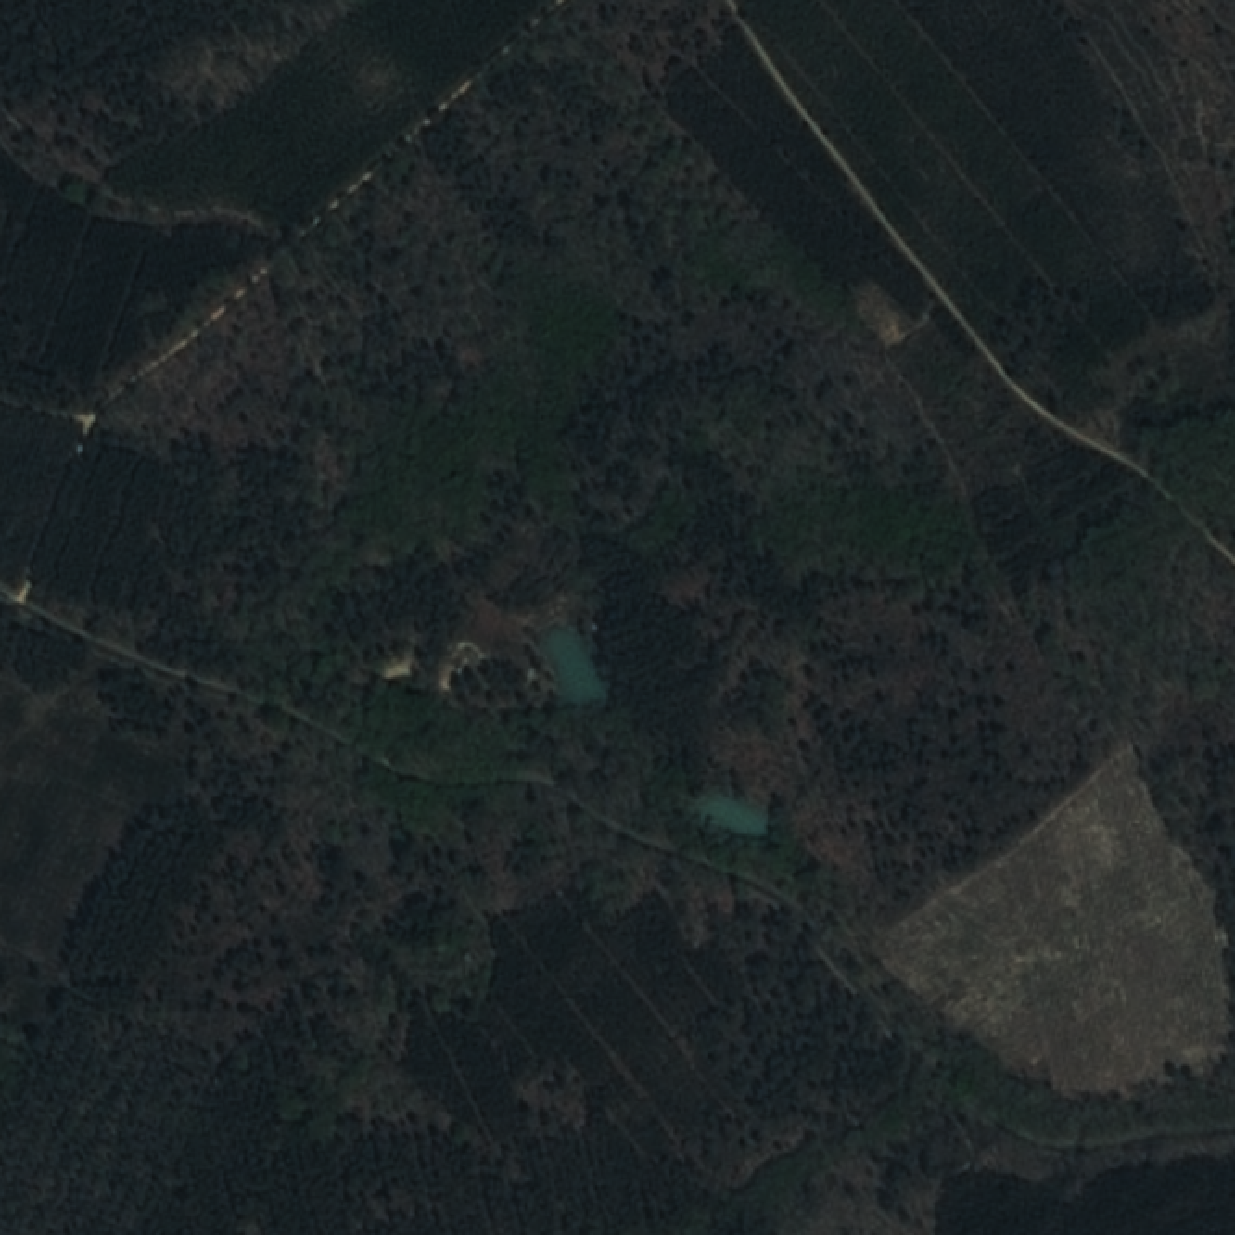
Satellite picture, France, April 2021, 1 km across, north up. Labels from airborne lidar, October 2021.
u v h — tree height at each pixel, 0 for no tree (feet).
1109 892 0
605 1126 57
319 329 31
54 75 62
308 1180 72
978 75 34
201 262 36
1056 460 25
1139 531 52
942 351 24
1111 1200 41
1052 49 32
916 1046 88
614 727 63
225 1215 67
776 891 45
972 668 41
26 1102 71
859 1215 37
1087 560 70
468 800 54
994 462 26
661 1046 24
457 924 33
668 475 47
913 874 40
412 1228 60
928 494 48
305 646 42
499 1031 33
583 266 49
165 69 57
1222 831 23
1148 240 24
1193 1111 76
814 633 39
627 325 63
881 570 25
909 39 31
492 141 52
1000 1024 0
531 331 59
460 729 66
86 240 24
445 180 54
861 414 36
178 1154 62
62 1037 55
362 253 45
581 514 37
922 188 25
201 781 54
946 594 55
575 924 39
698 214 56
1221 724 27
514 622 0
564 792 65
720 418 26
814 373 42
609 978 35
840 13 29
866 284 38
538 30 28
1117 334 48
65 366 40
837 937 73
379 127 39
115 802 0
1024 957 0
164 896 63
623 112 43
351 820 24
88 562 58
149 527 64
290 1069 70
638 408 66
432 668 81
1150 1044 0
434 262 41
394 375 44
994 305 41
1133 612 70
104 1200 24
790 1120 50
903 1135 42
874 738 37
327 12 49
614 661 65
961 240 34
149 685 62
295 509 22
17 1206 52
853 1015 55
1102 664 40
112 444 54
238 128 44
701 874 47
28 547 30
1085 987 0
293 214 53
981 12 23
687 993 34
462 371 34
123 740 54
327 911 47
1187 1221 26
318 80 40
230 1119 63
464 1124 33
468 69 31
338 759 33
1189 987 0
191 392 40
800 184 43
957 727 37
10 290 26
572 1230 67
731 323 30
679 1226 77
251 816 60
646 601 71
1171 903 0
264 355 35
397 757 64
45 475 32
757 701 86
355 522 76
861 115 35
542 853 62
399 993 36
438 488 70
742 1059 61
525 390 57
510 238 51
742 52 35
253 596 23
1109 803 0
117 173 38
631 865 62
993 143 42
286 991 19
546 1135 24
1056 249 40
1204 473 70
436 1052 43
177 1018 20
